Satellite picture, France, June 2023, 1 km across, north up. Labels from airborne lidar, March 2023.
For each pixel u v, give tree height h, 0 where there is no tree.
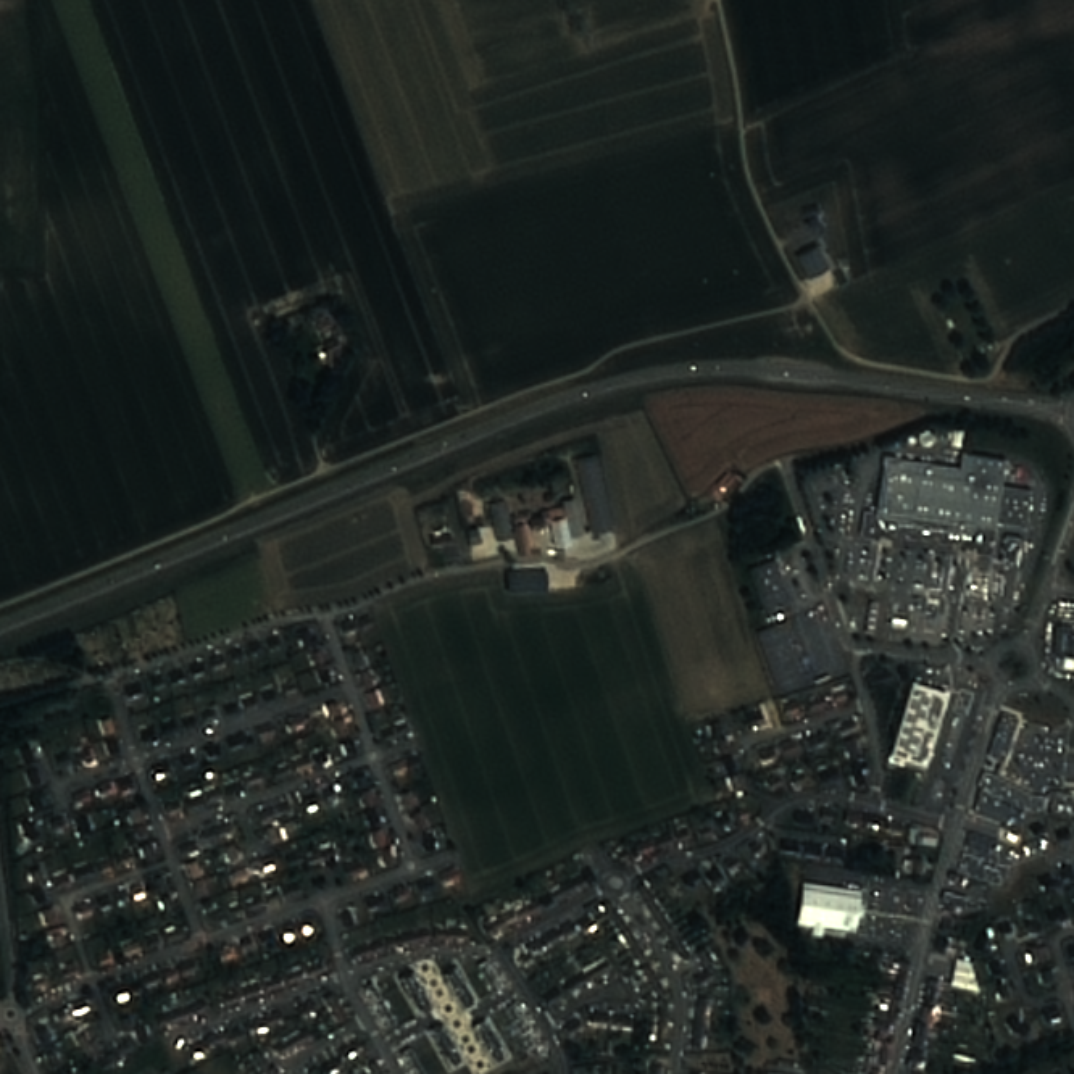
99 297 0
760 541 16
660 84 0
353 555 0
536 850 0
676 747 0
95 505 0
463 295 0
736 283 0
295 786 0
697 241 0
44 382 0
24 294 0
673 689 0
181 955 0
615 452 0
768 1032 0
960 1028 0
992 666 0
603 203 0
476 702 0
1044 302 0
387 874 0
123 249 0
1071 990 0
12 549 0
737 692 0
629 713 0
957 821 0
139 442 0
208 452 0
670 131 0
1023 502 0
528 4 0
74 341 0
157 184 0
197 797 0
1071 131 0
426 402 0
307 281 0
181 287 0
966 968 0
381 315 0
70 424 0
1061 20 0
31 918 0
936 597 0
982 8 0
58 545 0
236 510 0
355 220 0
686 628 0
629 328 0
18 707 7
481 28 0
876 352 0
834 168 0
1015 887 0
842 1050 0
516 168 0
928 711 0
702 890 0
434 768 0
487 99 0
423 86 0
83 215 0
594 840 0
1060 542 0
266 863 0
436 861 0
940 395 0
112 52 0
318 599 0
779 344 0
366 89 0
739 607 0
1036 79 0
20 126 0
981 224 0
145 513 0
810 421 0
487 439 0
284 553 0
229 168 0
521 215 0
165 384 0
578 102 0
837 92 0
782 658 0
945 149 0
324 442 0
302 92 0
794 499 0
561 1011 0
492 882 0
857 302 0
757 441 0
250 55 0
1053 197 0
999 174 0
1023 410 0
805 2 0
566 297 0
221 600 0
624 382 0
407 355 0
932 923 0
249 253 0
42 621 0
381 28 0
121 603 0
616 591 0
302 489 0
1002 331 0
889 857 6
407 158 0
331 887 0
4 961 0
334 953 0
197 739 0
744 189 0
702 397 0
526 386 0
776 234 0
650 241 0
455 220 0
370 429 0
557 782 0
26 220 0
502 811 0
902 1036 0
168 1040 0
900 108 0
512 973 0
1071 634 0
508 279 0
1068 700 0
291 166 0
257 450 0
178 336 0
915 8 0
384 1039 0
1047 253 0
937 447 0
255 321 0
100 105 0
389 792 0
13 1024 0
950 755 0
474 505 0
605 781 0
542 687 0
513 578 0
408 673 0
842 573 0
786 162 0
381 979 0
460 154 0
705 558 0
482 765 0
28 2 0
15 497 0
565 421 0
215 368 0
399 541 0
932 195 0
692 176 0
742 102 0
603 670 0
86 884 0
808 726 0
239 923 0
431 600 0
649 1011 0
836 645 0
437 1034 0
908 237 0
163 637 0
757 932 0
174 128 0
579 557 0
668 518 0
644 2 0
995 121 0
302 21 0
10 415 0
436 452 0
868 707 0
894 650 0
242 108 0
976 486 0
